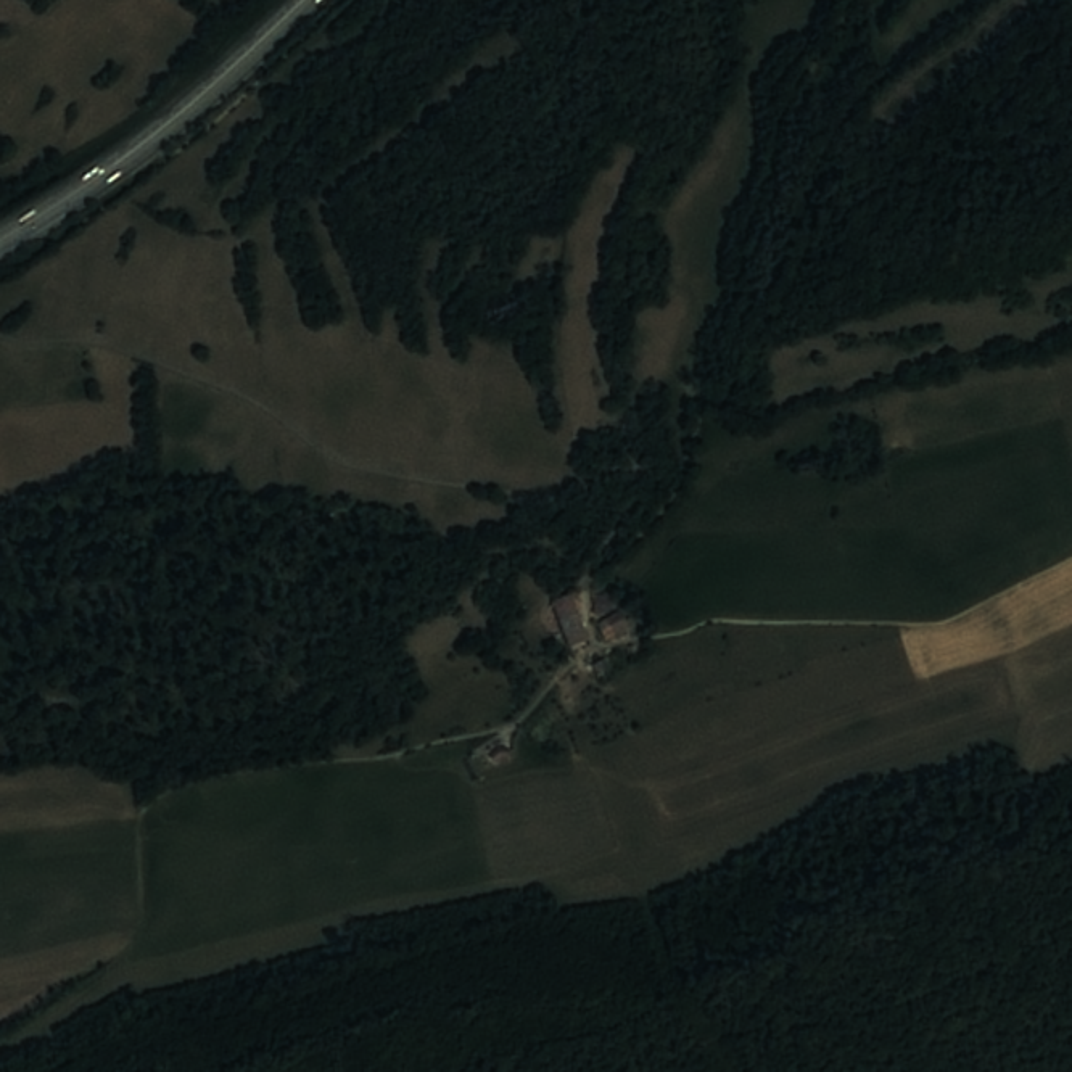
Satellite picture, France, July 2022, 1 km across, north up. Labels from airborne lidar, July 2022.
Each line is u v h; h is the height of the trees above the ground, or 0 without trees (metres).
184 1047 13
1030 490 0
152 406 13
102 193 0
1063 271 14
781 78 16
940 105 24
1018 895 16
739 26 21
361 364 0
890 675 0
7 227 0
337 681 20
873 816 25
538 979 12
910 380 22
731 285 18
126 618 30
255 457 0
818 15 15
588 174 16
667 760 0
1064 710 0
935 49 20
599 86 12
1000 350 17
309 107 15
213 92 0
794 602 0
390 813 0
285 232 18
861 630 0
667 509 8
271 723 24
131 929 0
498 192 10
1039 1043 13
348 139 18
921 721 0
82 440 0
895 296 18
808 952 13
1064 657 0
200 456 0
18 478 0
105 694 24
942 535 0
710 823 0
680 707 0
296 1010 10
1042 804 31
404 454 0
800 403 13
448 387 0
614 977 13
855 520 0
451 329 19
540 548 11
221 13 11
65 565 30
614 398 14
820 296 19
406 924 13
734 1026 14
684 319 0
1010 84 31
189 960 0
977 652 0
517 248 20
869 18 14
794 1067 20
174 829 0
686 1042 16
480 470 0
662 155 18
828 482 7
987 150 13
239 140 16
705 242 0
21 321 8
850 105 22
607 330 16
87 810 0
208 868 0
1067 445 0
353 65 15
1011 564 0
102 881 0
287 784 0
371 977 14
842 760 0
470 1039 7
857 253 18
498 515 0
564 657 10
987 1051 13
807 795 0
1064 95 28
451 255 16
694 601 0
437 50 20
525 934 13
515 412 0
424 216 14
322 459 0
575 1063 17
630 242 17
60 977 0
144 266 0
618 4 27
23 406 0
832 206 15
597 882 0
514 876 0
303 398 0
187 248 0
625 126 21
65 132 0
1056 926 20
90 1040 13
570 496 17
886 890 24
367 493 0
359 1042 13
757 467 0
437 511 0
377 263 16
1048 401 0
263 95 10
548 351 19
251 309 14
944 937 18
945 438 0
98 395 9
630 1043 18
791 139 28
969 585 0
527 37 17
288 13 0
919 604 0
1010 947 19
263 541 28
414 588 16
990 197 20
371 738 22
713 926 9
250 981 17
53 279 0
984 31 0
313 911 0
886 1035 18
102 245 0
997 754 15
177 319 0
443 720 0
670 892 12
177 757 26
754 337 18
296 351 0
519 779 0
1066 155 24
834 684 0
